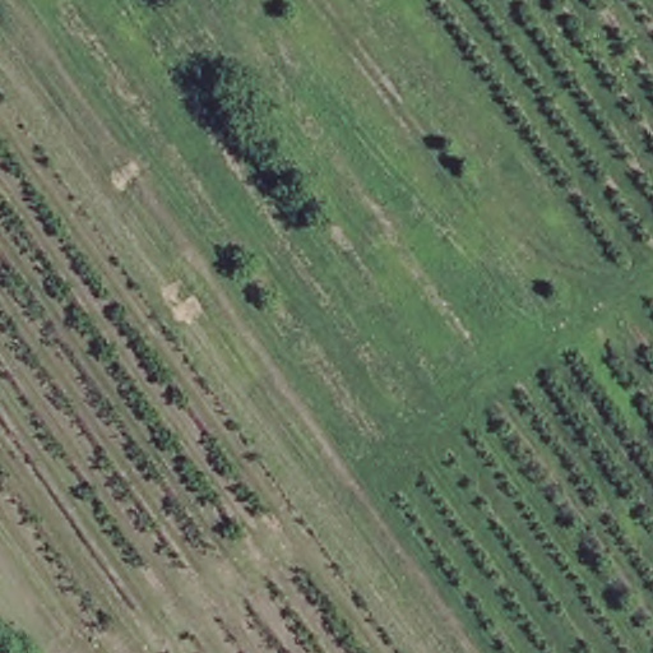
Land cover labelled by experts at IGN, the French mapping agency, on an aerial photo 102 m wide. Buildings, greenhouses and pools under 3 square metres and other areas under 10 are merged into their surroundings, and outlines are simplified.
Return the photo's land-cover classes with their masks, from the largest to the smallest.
<instances>
[{"label":"herbaceous vegetation","instance_id":"1","mask_svg":"<svg viewBox=\"0 0 653 653\"><path fill-rule=\"evenodd\" d=\"M561 13L571 18V28L576 31V36L594 51V59L602 64V69L610 77H615L612 89H602L592 69L587 66V59L569 46L559 23H551L543 15V5L538 0H525V20L533 28H538L546 46L569 71V77L579 82V89L589 99L597 117L607 125V130L625 150V161H612L610 150L594 133V128L584 120V115H579L574 99L559 87L546 61L536 54L531 41L520 33V28L510 20V5L505 0H490L485 5V13L492 18L495 28L505 36V41L518 54L520 64L531 74L525 82H520V77L513 74V69L505 64L500 46L490 41V36L482 31V26L477 23L464 0H0V138L8 140V148L26 171V179L31 181L33 191H38L48 204L51 214L61 219V230L66 232L64 240L79 247V253L99 278L102 288H107L112 298L105 306L99 298L89 293L82 278L71 270L66 255L59 247V240L43 232L41 222L36 219V212L28 209V204L23 202L18 179L0 168V196L18 214V219H23L26 232L46 253L56 275L69 286L77 301L66 304L64 309L61 301L43 293V278L38 273L41 265L13 245L10 232L0 219V250L8 258L10 268L23 281H28L36 304L43 309V316L28 319L26 309L15 304V298L5 288H0V306L18 324L31 352L41 360V365L56 383V388L48 390L28 365H23L10 349H5L10 337L0 332V622H10L13 630L26 633L41 653H273L258 635V630L250 627L242 607L245 602H253V607L260 612V617L268 622V627L288 653H306L293 638L296 633H301L304 625L319 640L321 653H344L324 630L319 610L311 607L296 589L291 566L311 571V579L332 599L334 615L349 622L355 640L367 653H536L525 643L515 622L508 620L505 610L513 607H520L536 638L546 643L548 653H615L602 630L594 622H589L587 612H582L576 592L566 582L569 574H576L599 617L610 622L612 633L630 653H653V599L640 587L625 556L617 551L615 541L605 533L599 515H610L612 520H617L622 536L638 551V559L653 579V492L640 477V472L630 464L627 454L620 449L617 439L605 429L592 400L576 390L564 365V352H576V357L584 362V375L599 383L607 400L612 403V416L625 426L627 436L640 446V457L653 469V212L633 191L627 173L638 171L648 191L653 194V0H561ZM454 26L462 31L474 56L482 61L472 71L454 48V41L446 36V31ZM222 59L247 64L265 74L270 92H275L278 105L283 107L281 120L286 143L306 163V171H296V179H301L304 191L311 199H316V207L324 214H329L332 227L321 230L316 224H306L301 230H286L275 219V207L265 196L270 189H275L273 171L247 173V166L232 158L242 145L232 133L224 107L214 97ZM485 69L497 79L508 102L518 110L531 133L538 138V145L556 161L559 171H564L569 186H554L551 176L541 171L533 153L518 138L513 125L505 122V115L492 102L490 89L477 79V74ZM536 82L548 97L554 112L566 122L571 135L587 150L584 156L574 158L564 138H559L538 115L536 99L528 92V87ZM135 161H138V173H135V176H133V179L128 181V186H125V189H115V184H112V173L122 171V168H125L128 163H135ZM574 194L582 196L584 209L610 240L617 255L615 263H607L602 258L594 237H589L582 222L574 217L569 207V196ZM612 194L633 217V222L640 224L643 242H633L627 230L607 209L605 199ZM186 298H196L202 311L194 321L184 324L176 321L173 311ZM117 304L125 306L128 324L140 332L143 342L150 349L158 352L163 367L173 370L171 385L179 388L186 398L184 408L166 403V388L158 383H148L145 370L138 365L125 337H120L117 329L110 324ZM77 309L92 316V324L102 334L99 339L89 342L87 337L71 329L77 324ZM43 321H54V332L71 344L87 372L94 378L99 395L112 406V416L122 423V429H115L97 416L69 360L56 357V347L41 344ZM605 342L612 344L620 370L630 372L635 378V385L620 388L610 378V370L602 362ZM122 367L133 378V385L158 413L161 423L179 436L184 454L173 457L171 451H163V439H150L145 423L138 421L133 411L125 406V400L117 395V383L112 380V375ZM541 367L548 370L551 383L556 385V393L561 395L569 413H576V421L582 426L579 431L571 434L566 426L559 423L554 406L548 403L536 380ZM515 388L525 395V403L536 408V416L551 436L548 444H541L538 436L531 431V421L515 411L510 398V390ZM36 413L56 436V441L66 449L64 459L51 457V451H46L43 444L36 439L33 426L28 423V418ZM500 426L508 429V436L518 439L520 454L513 459L492 434ZM207 429L217 439V451L230 462L232 469H237L242 485H247L260 497V503L270 505L268 515H250L245 505L230 492L232 477L212 472L207 451L199 444V434ZM130 439L143 451L148 464L158 472L156 482L143 480L140 469L125 457L122 444ZM94 446H102L105 457L110 459L117 474L105 477L102 469H92ZM597 449H602L607 464L615 467V474L630 492L627 497H617L615 490L599 477L592 462V451ZM564 454H569L576 472L594 490L592 505H582L579 495L574 492L564 469L559 467V457ZM186 459L204 474L209 487L222 500L224 510L196 503L194 482H189L186 474ZM77 482H89L94 487L102 508L115 518L125 538L143 556V566L125 564L122 551L112 546V538L99 531L92 505L74 500L69 495V490ZM426 485H431V487H434V492H436V497H441V500H444V508L449 510L446 515H441V518H439V515H436V510H434V508L429 505V500H426V497H423V495L418 492V487H426ZM395 492L423 523V536H418L411 528V523H406V518L398 513V508L390 505V495ZM163 497H173L184 508V513L199 528V536L207 541V548H196L181 541V528L176 518L163 513ZM140 503L150 520L161 528L163 541H156L153 533L135 531V523L128 515V510ZM523 508L531 510L538 528L556 546V554L569 566L566 571H556V566L548 559L538 556L528 538L525 520L518 515V510ZM449 518H454L457 525L467 533V538L482 554L485 566L495 571V579H482L477 574L464 548L444 525ZM487 520H495L505 531L525 566L543 584L551 602L559 605V612L541 610L531 584L515 571V566L500 548L497 538L487 528ZM43 543H51L61 554L66 574H71L77 584L92 594V605L87 610H82L79 597L59 594V587L69 584L64 579H56V566L43 559ZM439 554L446 559L449 569L457 571V587H446L444 576L434 569V556ZM467 594L477 599L480 610L490 620L487 630H477L464 605Z\"/></svg>","mask_w":653,"mask_h":653},{"label":"deciduous trees","instance_id":"2","mask_svg":"<svg viewBox=\"0 0 653 653\"><path fill-rule=\"evenodd\" d=\"M477 23L482 26V31L490 36V41L500 46L505 64L513 69V74L520 77V82H525L531 74L520 64L518 54L505 41V36L495 28L492 18L485 13V5L490 0H464ZM510 5V20L520 28V33L531 41L536 54L546 61L559 87L574 99L579 115H584V120L594 128V133L610 150L612 161H625V150L607 130V125L597 117L589 99L579 89V82L569 77V71L546 46L538 28H533L525 20V0H505ZM543 5V15L551 23H559L569 46L587 59V66L592 69L602 89H612L615 77H610L602 69V64L594 59V51L576 36V31L571 28V18L561 13V0H538ZM446 36L454 41V48L472 71L482 61L474 56L462 31L454 26L446 31ZM214 97L224 107L232 133L242 145L232 158L247 166V173L273 171L275 189H270L265 196L275 207V219L286 230H301L306 224H316L321 230L332 227L329 214H324L316 207V199H311L304 191L301 179H296V171H306V163L286 143L281 120L283 107L278 105L275 92H270L265 74L247 64L222 59ZM477 79L490 89L492 102L505 115V122L513 125L518 138L533 153L541 171L551 176L554 186H569L564 171H559L556 161L538 145V138L531 133L518 110L508 102L497 79L485 69L477 74ZM528 92L536 99L538 115L559 138H564L574 158L584 156L587 150L571 135L566 122L554 112L548 97L536 82L528 87ZM0 168L18 179L23 202L28 204V209L36 212V219L41 222L43 232L59 240V247L66 255L71 270L82 278L89 293L99 298L105 306L112 298L107 288H102L99 278L79 253V247L64 240L66 232L61 230V219L51 214L48 204L38 191H33L31 181L26 179V171L8 148V140L0 138ZM633 191L653 212V194L648 191L638 171L627 173ZM569 207L574 217L582 222L589 237H594L602 258L607 263H615L617 255L610 240L584 209L582 196L574 194L569 196ZM607 209L627 230L633 242H643L640 224L633 222V217L612 194L605 199ZM0 219L10 232L13 245L41 265L38 273L43 278V293L61 301L64 309L66 304L77 301L69 286L56 275L46 253L26 232L23 219H18V214L0 196ZM0 288H5L15 298V304L26 309L28 319L43 316V309L36 304L28 281H23L10 268L8 258L0 250ZM110 324L117 329L120 337H125L138 365L145 370L148 383H158L166 388V403L184 408L186 398L179 388L171 385L173 370L163 367L158 352L150 349L143 342L140 332L128 324L125 306L117 304ZM0 332L10 337L5 349H10L23 365H28L48 390L56 388V383L41 365V360L31 352L18 324L0 306ZM71 329L87 337L89 342L99 339L102 334L92 324V316L77 309V324ZM41 344L56 347V357L69 360L97 416L115 429H122V423L112 416V406L99 395L94 378L87 372L71 344L54 332V321H43ZM602 362L610 370V378L620 388L635 385V378L630 372L620 370L612 344L605 342ZM564 365L576 390L592 400L605 429L617 439L620 449L627 454L630 464L640 472V477L653 492V469L640 457V446L627 436L625 426L612 416V403L607 400L599 383L584 375V362L576 357V352H564ZM112 380L117 383V395L125 400V406L133 411L138 421L145 423L150 439H163V451H171L173 457L184 454L179 436L161 423L158 413L133 385V378L122 367L112 375ZM536 380L548 403L554 406L559 423L566 426L571 434L579 431L582 426L576 421V413H569L561 395L556 393V385L551 383L548 370L541 367ZM510 398L515 411L531 421V431L538 436L541 444H548L551 436L536 416V408L525 403V395L515 388L510 390ZM28 423L33 426L36 439L43 444L46 451H51V457L64 459L66 449L56 441V436L36 413L28 418ZM492 434L513 459L520 454L518 439L508 436V429L500 426ZM199 444L207 451L212 472L232 477L230 492L245 505L250 515H268L270 505L260 503V497L247 485H242L237 469H232L230 462L217 451V439L207 429L199 434ZM125 457L140 469L143 480L156 482L158 472L148 464L143 451L130 439L122 444ZM92 469H102L105 477L117 474L110 459L105 457L102 446H94ZM592 462L599 477L615 490L617 497H627L630 492L615 474V467L607 464L602 449H597L592 451ZM559 467L564 469L574 492L579 495L582 505H592L594 490L576 472L569 454H564L559 457ZM186 474L189 482H194L196 503L224 510L222 500L209 487L204 474L186 459ZM69 495L74 500L92 505L99 531L112 538V546L122 551L125 564L143 566V556L125 538L115 518L102 508L94 487L89 482H77L69 490ZM418 492L423 495V497H426V500H429V505L434 508V510H436V515H439V518H441V515H446L449 510L444 508V500H441V497H436V492H434V487H431V485H426V487H418ZM390 505L398 508V513L406 518V523H411V528L418 536H423V523L395 492L390 495ZM163 513L176 518L181 528V541L196 548H207V541L199 536V528L184 513V508L173 497H163ZM128 515L135 523V531L153 533L156 541H163L161 528L150 520L140 503L128 510ZM518 515L525 520L528 538L538 556L548 559L556 566V571H566L569 566L556 554V546L538 528L531 510L523 508L518 510ZM605 533L615 541L617 551L625 556L640 587L653 599V579L638 559V551L622 536L617 520H612L610 515H599ZM444 525L464 548L477 574L482 579H495V571L485 566L482 554L467 538V533L457 525L454 518H449ZM487 528L497 538L500 548L515 566V571L531 584L541 610L559 612V605L551 602L543 584L525 566L505 531L495 520H487ZM43 559L56 566V579H64L69 584L59 587V594L79 597L82 610H87L92 605V594L77 584L71 574H66L61 554L51 543H43ZM434 569L444 576L446 587H457V571L449 569L446 559L439 554L434 556ZM296 589L311 607L319 610L324 630L344 653H367L355 640L349 622L334 615L332 599L311 579V571L291 566ZM566 582L576 592L582 612H587L589 622H594L602 630L615 653H630L612 633L610 622L599 617L576 574H569ZM464 605L477 630H487L490 620L480 610L477 599L467 594ZM242 607L250 627L258 630V635L273 653H288L268 627V622L260 617V612L253 607V602H245ZM508 620L515 622L525 643L536 653H548L546 643L536 638L520 607H513L505 610ZM0 653H41L26 633L13 630L10 622H0ZM293 638L306 653H321L319 640L304 625L301 633H296Z\"/></svg>","mask_w":653,"mask_h":653},{"label":"bare soil","instance_id":"3","mask_svg":"<svg viewBox=\"0 0 653 653\"><path fill-rule=\"evenodd\" d=\"M135 173H138V161H135V163H128L125 168H122V171L112 173V184H115V189H125V186H128V181L133 179V176H135ZM202 311L196 298H186L173 311L176 321L184 324L194 321Z\"/></svg>","mask_w":653,"mask_h":653}]
</instances>
